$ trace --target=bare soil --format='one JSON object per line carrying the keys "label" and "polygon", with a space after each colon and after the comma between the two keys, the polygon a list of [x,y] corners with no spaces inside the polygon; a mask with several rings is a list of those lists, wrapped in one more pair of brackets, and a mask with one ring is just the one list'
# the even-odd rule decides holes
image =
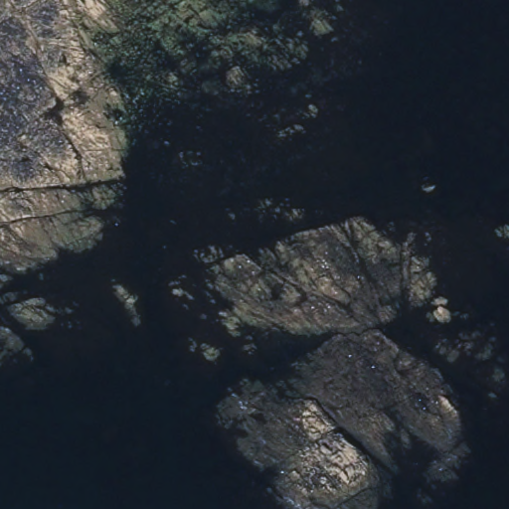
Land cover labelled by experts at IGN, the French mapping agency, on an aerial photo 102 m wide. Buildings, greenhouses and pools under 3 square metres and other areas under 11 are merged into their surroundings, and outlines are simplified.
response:
{"label": "bare soil", "polygon": [[386,296],[388,292],[406,290],[410,298],[424,300],[435,284],[435,276],[427,266],[427,258],[418,258],[412,253],[412,245],[416,239],[414,233],[408,233],[404,243],[392,245],[374,229],[374,225],[356,217],[338,225],[328,225],[324,229],[294,233],[286,237],[282,243],[278,243],[274,249],[260,249],[260,254],[254,260],[247,254],[227,258],[217,247],[209,247],[209,254],[193,251],[193,256],[197,260],[207,262],[209,268],[213,268],[215,272],[217,280],[207,282],[207,288],[215,288],[225,298],[233,300],[233,310],[219,312],[231,336],[239,334],[237,326],[241,322],[253,326],[268,326],[272,330],[280,330],[282,326],[286,326],[290,332],[296,332],[302,338],[306,348],[312,352],[304,356],[302,362],[292,362],[294,372],[288,380],[272,382],[264,388],[264,384],[260,382],[243,378],[243,394],[239,396],[229,388],[231,396],[217,406],[217,424],[223,427],[241,427],[247,431],[247,437],[241,437],[237,445],[253,465],[260,467],[256,485],[266,489],[266,493],[272,495],[278,503],[288,503],[292,509],[376,509],[376,497],[368,485],[378,481],[378,471],[372,465],[380,459],[380,453],[388,453],[384,445],[384,433],[392,431],[402,439],[402,443],[410,443],[410,437],[418,433],[425,441],[441,445],[447,441],[449,431],[459,424],[459,414],[437,384],[437,370],[427,370],[422,360],[412,358],[406,350],[400,350],[400,346],[394,340],[374,330],[374,322],[388,322],[394,318],[390,306],[384,306],[380,302],[382,296]]}
{"label": "bare soil", "polygon": [[121,42],[133,38],[137,22],[129,26],[123,20],[137,14],[157,14],[155,22],[143,22],[143,28],[153,28],[155,38],[161,42],[161,46],[171,56],[179,56],[183,54],[183,48],[177,40],[183,36],[185,30],[193,32],[195,36],[205,36],[207,30],[201,30],[199,26],[203,20],[207,24],[217,26],[221,20],[225,20],[225,14],[215,12],[205,0],[0,0],[0,264],[12,264],[18,272],[24,272],[28,268],[34,268],[40,260],[56,258],[56,253],[62,247],[70,251],[85,251],[95,245],[97,239],[101,239],[101,223],[97,219],[85,219],[78,197],[74,193],[68,193],[68,187],[87,181],[117,179],[123,175],[119,155],[125,149],[125,133],[115,119],[105,117],[103,111],[107,103],[117,105],[121,97],[113,89],[111,80],[103,78],[103,70],[109,62],[113,62],[113,58],[119,58],[119,64],[125,66],[127,56],[137,56],[137,48],[125,48]]}
{"label": "bare soil", "polygon": [[12,314],[24,320],[28,328],[38,328],[38,324],[52,322],[54,306],[48,304],[44,298],[30,298],[16,304]]}

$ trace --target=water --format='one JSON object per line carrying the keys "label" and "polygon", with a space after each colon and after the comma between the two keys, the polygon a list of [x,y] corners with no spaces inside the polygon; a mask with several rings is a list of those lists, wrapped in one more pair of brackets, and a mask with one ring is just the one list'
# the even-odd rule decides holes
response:
{"label": "water", "polygon": [[[123,175],[117,179],[87,181],[68,187],[68,193],[74,193],[78,197],[85,219],[97,219],[101,223],[101,239],[97,239],[95,245],[85,251],[70,251],[62,247],[56,253],[56,258],[40,260],[34,268],[28,268],[24,272],[18,272],[12,264],[0,264],[0,509],[292,509],[288,503],[278,503],[272,495],[266,493],[266,489],[256,485],[260,467],[253,465],[237,445],[241,437],[247,437],[247,431],[241,427],[223,427],[217,424],[217,406],[231,396],[229,388],[239,396],[243,394],[243,378],[260,382],[264,384],[264,388],[272,382],[288,380],[294,372],[292,362],[302,362],[304,356],[312,352],[306,348],[302,338],[296,332],[290,332],[286,326],[282,326],[280,330],[272,330],[268,326],[253,326],[241,322],[237,326],[239,334],[231,336],[219,312],[233,310],[233,300],[225,298],[215,288],[207,288],[207,282],[217,280],[215,272],[213,268],[209,268],[207,262],[197,260],[193,256],[193,251],[209,254],[209,247],[217,247],[227,258],[247,254],[254,260],[260,254],[260,249],[274,249],[278,243],[282,243],[286,237],[294,233],[324,229],[328,225],[338,225],[356,217],[374,225],[374,229],[392,245],[404,243],[408,233],[414,233],[416,239],[412,245],[412,253],[418,258],[427,258],[427,266],[435,276],[435,284],[424,300],[410,298],[406,290],[388,292],[386,296],[382,296],[380,302],[384,306],[390,306],[394,318],[388,322],[374,322],[374,330],[394,340],[400,346],[400,350],[406,350],[412,358],[422,360],[427,370],[437,370],[437,384],[459,414],[459,424],[449,431],[447,441],[441,445],[425,441],[418,433],[410,437],[410,443],[402,443],[402,439],[392,431],[384,433],[384,445],[388,453],[380,453],[380,459],[372,465],[378,471],[378,481],[368,485],[376,497],[376,509],[509,509],[509,0],[205,0],[215,12],[225,14],[225,20],[221,20],[217,26],[207,24],[203,20],[199,26],[201,30],[207,30],[205,36],[195,36],[193,32],[185,30],[183,36],[177,40],[183,48],[183,54],[179,56],[171,56],[161,46],[161,42],[155,38],[153,28],[143,28],[143,22],[155,22],[157,14],[137,14],[123,20],[129,26],[137,22],[133,38],[121,42],[125,48],[137,48],[137,56],[127,56],[125,66],[119,64],[119,58],[113,58],[113,62],[109,62],[103,70],[103,78],[111,80],[113,89],[121,97],[117,105],[107,103],[103,111],[105,117],[115,119],[125,133],[125,149],[119,155]],[[30,298],[44,298],[48,304],[54,306],[52,322],[38,324],[38,328],[28,328],[24,320],[12,314],[16,304]]]}

